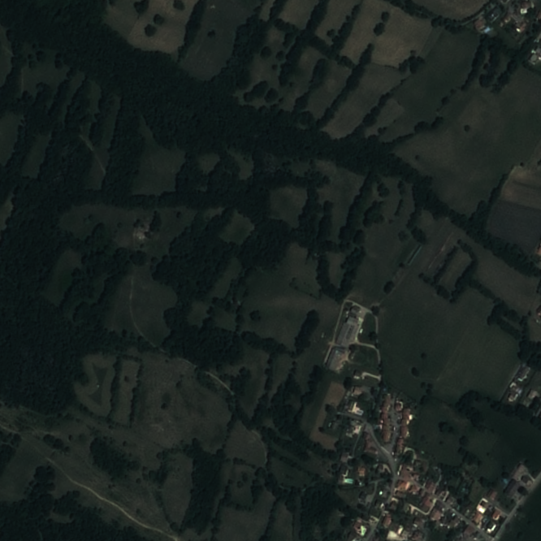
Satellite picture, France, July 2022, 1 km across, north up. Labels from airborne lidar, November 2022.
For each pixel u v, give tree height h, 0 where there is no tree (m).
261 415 17
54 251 17
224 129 20
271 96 15
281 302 0
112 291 14
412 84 0
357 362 0
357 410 0
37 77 0
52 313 16
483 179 0
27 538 20
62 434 0
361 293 0
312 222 19
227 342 23
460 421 0
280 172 18
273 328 0
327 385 0
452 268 0
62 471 0
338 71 0
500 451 0
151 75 29
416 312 0
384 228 0
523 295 0
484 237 14
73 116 19
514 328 10
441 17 11
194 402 0
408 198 0
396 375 0
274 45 0
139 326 0
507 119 0
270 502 0
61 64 17
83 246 21
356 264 16
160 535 0
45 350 22
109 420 8
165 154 0
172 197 21
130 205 19
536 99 0
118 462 15
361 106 0
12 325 20
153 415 0
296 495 13
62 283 0
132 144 20
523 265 10
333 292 18
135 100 22
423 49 0
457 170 0
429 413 0
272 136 23
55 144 19
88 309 14
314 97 0
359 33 0
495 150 0
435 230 0
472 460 7
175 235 0
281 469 0
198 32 14
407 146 0
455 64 0
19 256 19
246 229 0
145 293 0
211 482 15
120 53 24
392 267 0
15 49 14
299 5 0
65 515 7
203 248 19
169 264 20
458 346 0
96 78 16
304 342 19
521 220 0
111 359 0
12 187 19
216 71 0
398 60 0
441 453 0
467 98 0
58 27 19
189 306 17
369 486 11
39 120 20
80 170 20
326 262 17
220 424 0
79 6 19
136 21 0
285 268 0
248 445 0
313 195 18
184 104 21
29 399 20
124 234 0
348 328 0
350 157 18
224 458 13
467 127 10
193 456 7
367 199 13
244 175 0
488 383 0
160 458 9
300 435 22
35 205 19
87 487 0
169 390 0
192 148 18
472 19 8
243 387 13
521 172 0
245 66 17
